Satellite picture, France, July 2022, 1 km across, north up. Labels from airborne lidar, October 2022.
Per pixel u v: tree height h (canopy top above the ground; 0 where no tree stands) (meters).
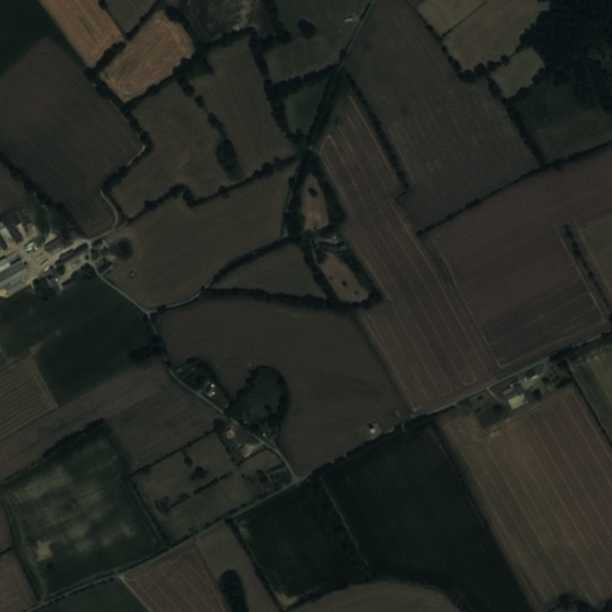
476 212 0
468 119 0
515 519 0
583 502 0
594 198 0
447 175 0
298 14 0
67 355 0
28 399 0
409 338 0
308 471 0
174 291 0
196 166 0
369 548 0
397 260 0
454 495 0
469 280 0
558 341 0
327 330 0
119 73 0
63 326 0
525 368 0
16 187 0
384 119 0
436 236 0
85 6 0
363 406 0
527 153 0
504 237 0
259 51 18
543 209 0
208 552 0
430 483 0
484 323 0
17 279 0
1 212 0
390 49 0
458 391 0
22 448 0
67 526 0
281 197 0
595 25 23
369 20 0
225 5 0
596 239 0
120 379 0
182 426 0
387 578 0
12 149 0
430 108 0
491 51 0
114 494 0
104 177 0
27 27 0
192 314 0
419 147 0
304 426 0
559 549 0
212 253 0
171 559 0
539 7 0
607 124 0
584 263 7
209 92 0
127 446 0
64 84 0
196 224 0
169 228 0
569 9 25
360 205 0
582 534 0
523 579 0
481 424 0
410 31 0
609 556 0
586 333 0
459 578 0
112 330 0
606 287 0
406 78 0
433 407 0
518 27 0
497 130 0
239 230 0
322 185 9
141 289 0
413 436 0
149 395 0
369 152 0
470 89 0
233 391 0
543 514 0
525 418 0
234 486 0
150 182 0
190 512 0
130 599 0
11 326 0
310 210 0
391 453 0
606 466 0
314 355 0
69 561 0
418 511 0
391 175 0
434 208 0
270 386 0
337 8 0
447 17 0
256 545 0
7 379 0
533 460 0
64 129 0
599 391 0
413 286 0
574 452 0
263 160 0
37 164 0
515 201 0
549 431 0
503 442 0
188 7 0
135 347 0
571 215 0
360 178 0
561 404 0
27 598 0
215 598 0
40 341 0
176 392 0
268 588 12
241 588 10
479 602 0
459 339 0
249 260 12
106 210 0
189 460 12
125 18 0
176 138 0
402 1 0
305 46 0
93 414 0
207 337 0
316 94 0
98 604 0
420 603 0
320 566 0
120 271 0
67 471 0
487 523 7
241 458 0
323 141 0
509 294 0
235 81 0
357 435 0
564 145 0
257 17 0
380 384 0
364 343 0
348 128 0
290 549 0
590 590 0
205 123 0
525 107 0
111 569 0
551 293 0
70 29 0
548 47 23
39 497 0
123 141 0
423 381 0
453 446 0
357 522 0
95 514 0
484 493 0
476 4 0
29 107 0
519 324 0
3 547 0
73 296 0
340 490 0
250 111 0
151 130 0
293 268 0
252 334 0
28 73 0
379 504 0
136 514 0
